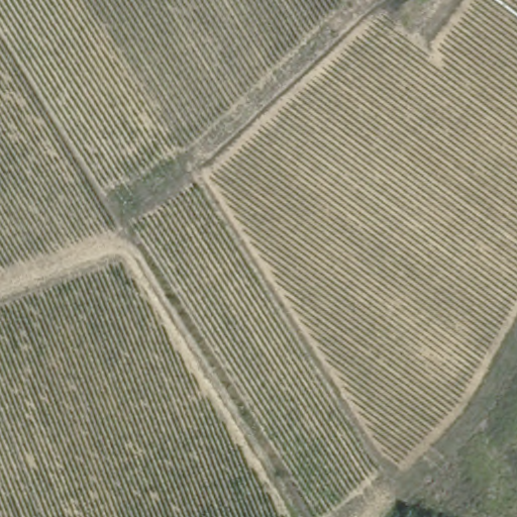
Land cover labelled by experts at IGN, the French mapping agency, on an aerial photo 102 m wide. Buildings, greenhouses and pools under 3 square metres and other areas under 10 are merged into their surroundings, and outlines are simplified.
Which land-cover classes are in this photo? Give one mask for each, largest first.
<instances>
[{"label":"vineyard","instance_id":"1","mask_svg":"<svg viewBox=\"0 0 517 517\"><path fill-rule=\"evenodd\" d=\"M376 0H0V517H386L396 501L394 491L398 489L400 479L404 477V471H408L430 448V444L456 420V416H460L517 317V0H462L458 10L448 20V24L438 32V36L434 40H424L420 32H412L404 28L400 22L396 24L394 18H388V10H382L372 16L370 8Z\"/></svg>","mask_w":517,"mask_h":517},{"label":"herbaceous vegetation","instance_id":"2","mask_svg":"<svg viewBox=\"0 0 517 517\"><path fill-rule=\"evenodd\" d=\"M462 0H376L370 8L372 16L382 10H388V18H394L396 24L400 22L404 28L412 32H420L424 40H434L438 36V32L448 24V20L458 10ZM396 501L410 505L418 503L424 509H428L434 517H517V317L460 416H456V420L430 444V448L408 471H404V477L400 479L398 489L394 491Z\"/></svg>","mask_w":517,"mask_h":517},{"label":"coniferous trees","instance_id":"3","mask_svg":"<svg viewBox=\"0 0 517 517\"><path fill-rule=\"evenodd\" d=\"M386 517H434L428 509H424L418 503L410 505L396 501Z\"/></svg>","mask_w":517,"mask_h":517}]
</instances>
